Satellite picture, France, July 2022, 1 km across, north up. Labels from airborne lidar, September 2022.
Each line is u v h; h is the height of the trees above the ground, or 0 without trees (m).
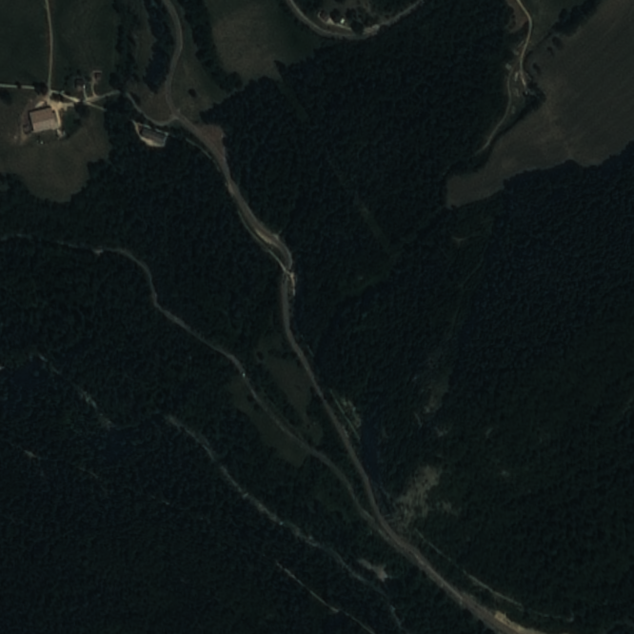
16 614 9
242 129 21
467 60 18
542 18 0
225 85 18
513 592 11
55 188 0
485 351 23
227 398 16
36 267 17
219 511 13
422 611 18
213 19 0
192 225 28
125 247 16
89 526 25
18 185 10
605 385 22
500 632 0
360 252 29
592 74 0
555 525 22
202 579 15
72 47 0
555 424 15
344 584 14
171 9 0
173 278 11
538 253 25
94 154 0
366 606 33
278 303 7
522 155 0
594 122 0
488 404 16
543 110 0
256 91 21
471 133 9
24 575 17
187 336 12
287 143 13
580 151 0
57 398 34
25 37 0
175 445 28
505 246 17
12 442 13
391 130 13
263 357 13
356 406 17
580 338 19
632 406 8
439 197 10
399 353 22
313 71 27
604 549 9
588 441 19
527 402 23
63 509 28
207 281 21
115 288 22
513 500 14
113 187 14
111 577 19
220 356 19
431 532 10
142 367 20
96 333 31
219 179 33
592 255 22
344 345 23
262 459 16
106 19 0
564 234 22
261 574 28
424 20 15
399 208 10
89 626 18
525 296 25
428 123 24
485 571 14
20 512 24
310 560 14
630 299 16
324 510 7
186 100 0
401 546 9
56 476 30
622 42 0
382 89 28
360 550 15
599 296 22
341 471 6
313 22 0
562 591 13
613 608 23
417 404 15
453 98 14
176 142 23
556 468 14
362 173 9
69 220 14
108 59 0
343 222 28
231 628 23
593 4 16
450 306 5
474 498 14
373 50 10
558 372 16
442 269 22
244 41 0
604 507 17
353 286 15
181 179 30
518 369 18
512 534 18
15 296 11
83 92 0
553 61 0
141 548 25
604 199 28
